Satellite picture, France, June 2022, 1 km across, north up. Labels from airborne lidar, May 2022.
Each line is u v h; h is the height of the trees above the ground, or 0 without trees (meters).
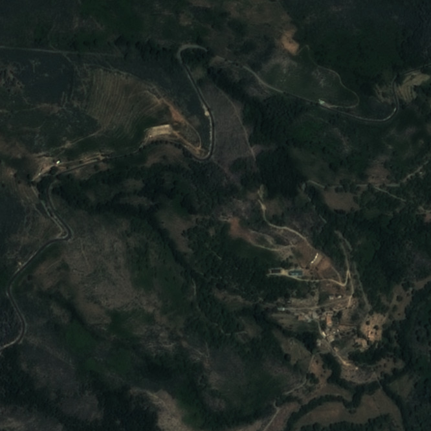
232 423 7
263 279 11
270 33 0
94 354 0
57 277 0
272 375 0
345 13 0
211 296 16
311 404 14
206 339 7
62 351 0
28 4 0
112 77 0
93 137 0
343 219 13
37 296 0
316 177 0
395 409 0
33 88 0
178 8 0
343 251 7
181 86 0
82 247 0
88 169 0
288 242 0
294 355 0
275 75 0
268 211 0
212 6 0
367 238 9
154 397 0
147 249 7
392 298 7
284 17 0
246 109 12
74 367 0
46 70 0
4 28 0
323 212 14
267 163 22
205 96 0
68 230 0
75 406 0
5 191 0
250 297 7
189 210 9
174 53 8
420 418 9
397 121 0
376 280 10
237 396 0
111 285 0
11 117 0
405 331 21
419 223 6
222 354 0
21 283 0
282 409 0
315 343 14
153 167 7
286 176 9
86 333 0
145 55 9
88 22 0
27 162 0
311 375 7
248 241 0
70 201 16
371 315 7
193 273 17
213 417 12
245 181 17
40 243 0
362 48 9
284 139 6
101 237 0
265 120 17
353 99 0
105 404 10
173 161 0
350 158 11
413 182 9
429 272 7
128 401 9
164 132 0
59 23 0
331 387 0
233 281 8
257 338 8
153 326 0
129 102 0
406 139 0
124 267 0
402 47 12
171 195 18
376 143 0
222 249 11
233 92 16
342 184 7
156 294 0
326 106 0
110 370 0
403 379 0
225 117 0
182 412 0
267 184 15
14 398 13
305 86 0
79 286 0
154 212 16
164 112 0
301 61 0
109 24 0
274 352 7
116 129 0
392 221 14
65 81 0
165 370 10
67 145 0
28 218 0
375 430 9
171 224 0
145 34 0
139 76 0
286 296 10
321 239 11
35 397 14
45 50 0
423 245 11
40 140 0
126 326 0
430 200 6
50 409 14
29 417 0
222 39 0
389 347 15
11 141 0
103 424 9
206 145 0
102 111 0
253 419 8
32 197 0
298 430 0
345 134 7
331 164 8
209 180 18
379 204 12
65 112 0
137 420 12
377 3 0
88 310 0
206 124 0
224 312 16
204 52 13
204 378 12
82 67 0
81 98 0
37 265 0
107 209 9
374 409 0
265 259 0
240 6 0
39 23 0
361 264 10
